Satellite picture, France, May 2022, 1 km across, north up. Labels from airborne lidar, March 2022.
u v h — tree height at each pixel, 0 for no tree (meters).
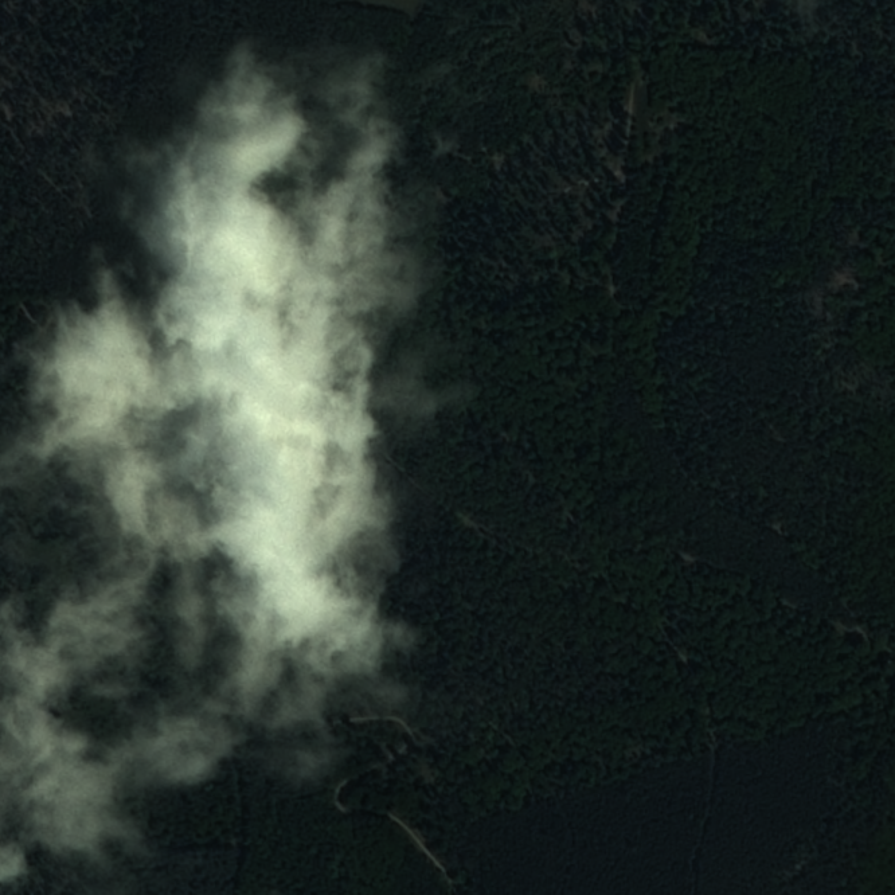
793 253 19
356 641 27
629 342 17
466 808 28
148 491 40
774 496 21
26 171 23
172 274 14
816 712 20
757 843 17
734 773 17
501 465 23
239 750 19
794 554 17
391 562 26
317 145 12
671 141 16
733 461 22
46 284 16
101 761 8
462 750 29
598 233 9
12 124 27
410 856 14
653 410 13
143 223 15
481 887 12
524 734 27
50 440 32
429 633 24
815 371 11
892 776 17
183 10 25
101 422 26
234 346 31
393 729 9
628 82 22
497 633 28
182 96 21
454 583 24
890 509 17
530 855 17
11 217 24
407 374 27
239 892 21
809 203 14
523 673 28
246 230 18
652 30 26
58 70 28
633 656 25
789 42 26
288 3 22
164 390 34
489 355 27
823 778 12
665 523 17
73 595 0
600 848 17
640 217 11
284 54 26
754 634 24
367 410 23
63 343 7
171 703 16
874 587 21
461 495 20
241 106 21
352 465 22
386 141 7
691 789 18
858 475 23
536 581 22
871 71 18
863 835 29
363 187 9
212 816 28
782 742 17
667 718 23
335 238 28
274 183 19
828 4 21
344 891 17
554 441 19
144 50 21
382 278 28
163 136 17
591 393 25
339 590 23
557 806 19
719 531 15
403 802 15
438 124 11
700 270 17
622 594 22
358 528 25
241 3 31
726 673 25
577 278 32
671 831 18
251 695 40
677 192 24
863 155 20
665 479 19
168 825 13
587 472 26
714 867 15
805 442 22
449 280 10
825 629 20
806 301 8
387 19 13
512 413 25
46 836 23
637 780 15
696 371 24
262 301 26
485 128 12
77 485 34
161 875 30
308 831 21
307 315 24
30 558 0
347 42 15
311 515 29
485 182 6
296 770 41
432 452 23
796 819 16
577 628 26
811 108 15
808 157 10
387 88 9
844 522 21
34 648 25
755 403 23
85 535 19
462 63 7
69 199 24
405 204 25
